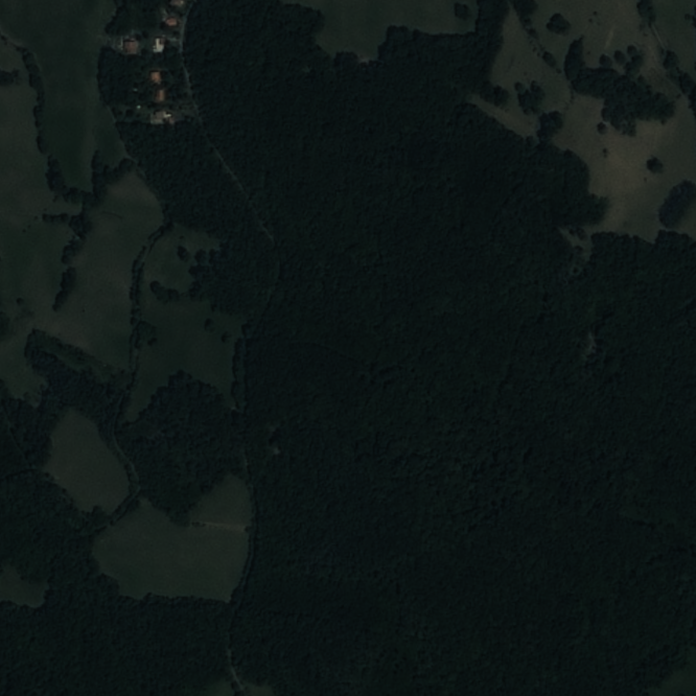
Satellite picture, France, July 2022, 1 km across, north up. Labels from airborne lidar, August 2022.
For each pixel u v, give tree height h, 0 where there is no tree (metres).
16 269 0
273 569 17
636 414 14
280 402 15
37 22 0
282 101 18
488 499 20
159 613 18
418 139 18
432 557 15
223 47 11
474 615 18
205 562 0
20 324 0
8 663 14
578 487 18
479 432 18
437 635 16
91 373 10
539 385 18
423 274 19
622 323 13
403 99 17
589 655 11
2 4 0
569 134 0
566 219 17
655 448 17
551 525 20
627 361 16
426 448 22
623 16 0
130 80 15
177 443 17
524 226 21
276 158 13
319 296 16
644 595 17
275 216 12
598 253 14
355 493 15
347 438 18
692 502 18
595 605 20
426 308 16
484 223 13
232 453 18
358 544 15
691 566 17
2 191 0
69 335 0
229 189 15
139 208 0
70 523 20
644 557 22
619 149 0
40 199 0
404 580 17
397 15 0
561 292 20
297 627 17
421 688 15
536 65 0
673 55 18
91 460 0
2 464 9
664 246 17
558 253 17
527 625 21
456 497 20
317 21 18
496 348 19
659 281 14
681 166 0
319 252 17
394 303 16
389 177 15
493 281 13
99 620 14
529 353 18
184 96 12
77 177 0
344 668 11
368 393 18
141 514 0
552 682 16
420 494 18
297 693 15
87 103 0
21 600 0
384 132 18
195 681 11
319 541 15
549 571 16
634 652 15
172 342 0
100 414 14
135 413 0
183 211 20
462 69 20
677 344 15
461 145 18
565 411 21
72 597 15
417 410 19
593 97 7
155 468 12
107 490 0
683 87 15
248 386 17
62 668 13
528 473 20
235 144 15
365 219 16
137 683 16
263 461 14
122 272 0
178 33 10
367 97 18
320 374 19
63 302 9
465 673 15
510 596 16
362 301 13
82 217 12
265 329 19
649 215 0
